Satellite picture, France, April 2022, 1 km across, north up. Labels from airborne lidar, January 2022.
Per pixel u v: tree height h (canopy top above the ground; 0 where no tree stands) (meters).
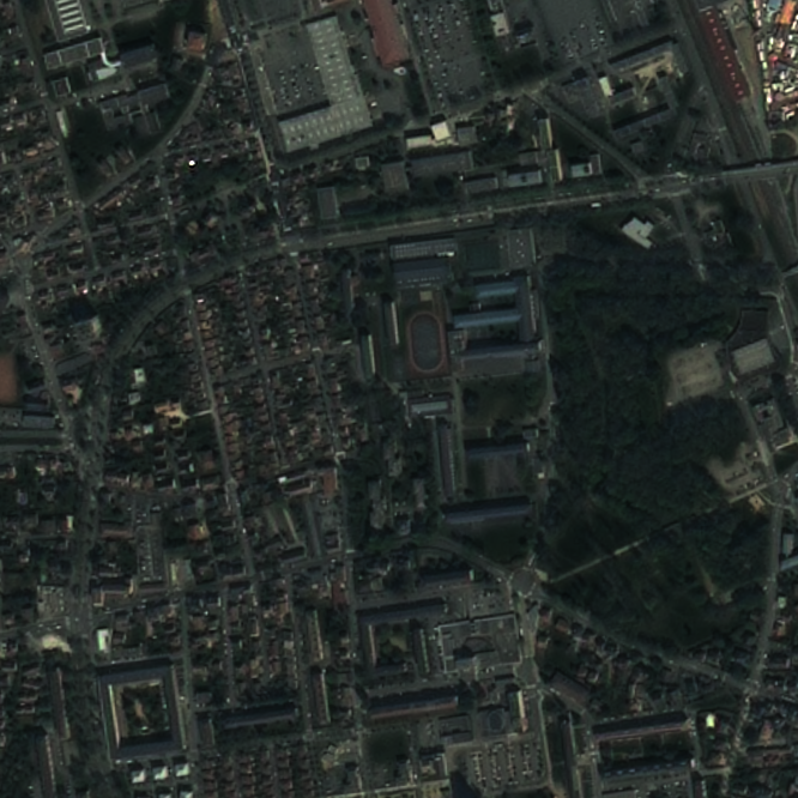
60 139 0
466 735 0
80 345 0
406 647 0
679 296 28
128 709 14
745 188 0
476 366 0
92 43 0
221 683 18
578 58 0
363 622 0
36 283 0
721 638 19
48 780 0
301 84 0
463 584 0
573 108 0
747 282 19
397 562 8
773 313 0
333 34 0
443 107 0
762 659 0
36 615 8
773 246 0
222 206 6
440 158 0
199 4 0
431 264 0
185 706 0
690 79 0
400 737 0
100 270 0
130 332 20
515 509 0
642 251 17
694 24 0
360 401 20
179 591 0
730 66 0
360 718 0
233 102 8
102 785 21
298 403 10
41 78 0
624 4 0
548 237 14
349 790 0
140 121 0
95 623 0
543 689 0
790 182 0
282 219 0
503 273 0
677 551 18
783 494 0
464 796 0
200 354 0
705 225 0
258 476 0
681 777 0
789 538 0
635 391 9
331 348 0
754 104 0
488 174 0
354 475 17
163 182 0
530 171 0
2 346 0
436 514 14
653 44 0
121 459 11
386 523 0
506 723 0
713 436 27
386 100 0
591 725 0
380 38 0
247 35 0
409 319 0
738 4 0
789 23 0
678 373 0
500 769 0
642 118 0
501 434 17
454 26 0
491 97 16
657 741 0
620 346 25
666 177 0
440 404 0
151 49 0
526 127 11
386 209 13
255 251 14
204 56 0
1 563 0
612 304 26
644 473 29
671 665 0
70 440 0
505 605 0
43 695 8
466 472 0
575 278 22
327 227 0
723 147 0
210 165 8
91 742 16
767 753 0
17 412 0
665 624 0
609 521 0
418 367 0
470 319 0
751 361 0
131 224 0
